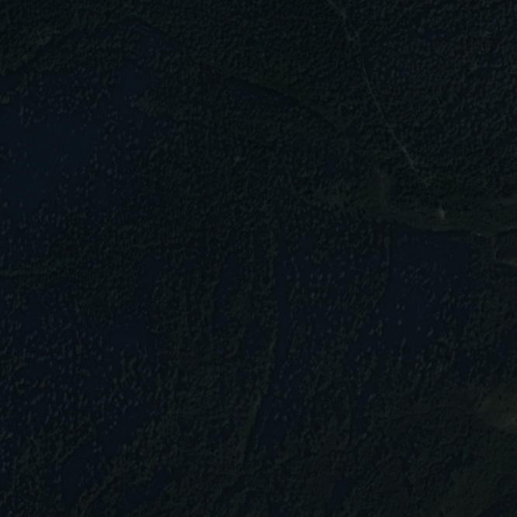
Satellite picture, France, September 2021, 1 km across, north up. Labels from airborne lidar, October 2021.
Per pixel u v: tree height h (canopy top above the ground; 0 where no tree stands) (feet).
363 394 19
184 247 31
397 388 20
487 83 105
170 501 47
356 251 32
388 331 20
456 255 33
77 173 87
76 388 23
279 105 32
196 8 113
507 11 106
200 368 28
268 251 48
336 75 106
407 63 114
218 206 36
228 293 52
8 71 47
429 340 21
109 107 37
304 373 24
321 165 28
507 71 84
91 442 63
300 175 38
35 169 100
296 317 21
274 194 42
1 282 28
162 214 43
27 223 51
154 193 60
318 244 94
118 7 46
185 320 35
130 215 53
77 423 78
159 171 36
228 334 29
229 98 55
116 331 23
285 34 60
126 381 27
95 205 54
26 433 26
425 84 84
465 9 78
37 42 75
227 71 39
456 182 60
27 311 23
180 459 22
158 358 53
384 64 26
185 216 45
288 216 48
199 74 29
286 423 20
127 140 129
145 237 40
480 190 34
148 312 45
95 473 24
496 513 18
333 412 19
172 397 28
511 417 0
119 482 24
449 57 98
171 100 61
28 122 115
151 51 98
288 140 38
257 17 36
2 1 97
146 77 53
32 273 37
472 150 68
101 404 98
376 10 91
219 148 57
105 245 22
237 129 57
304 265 57
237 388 23
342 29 51
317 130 32
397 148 58
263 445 32
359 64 38
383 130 66
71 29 82
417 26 70
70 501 26
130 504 19
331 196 36
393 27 74
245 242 55
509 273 18
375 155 18
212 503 26
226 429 19
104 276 42
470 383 23
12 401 27
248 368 31
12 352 90
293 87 35
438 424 24
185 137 39
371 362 47
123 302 30
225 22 126
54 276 46
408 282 78
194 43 98
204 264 52
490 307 24
